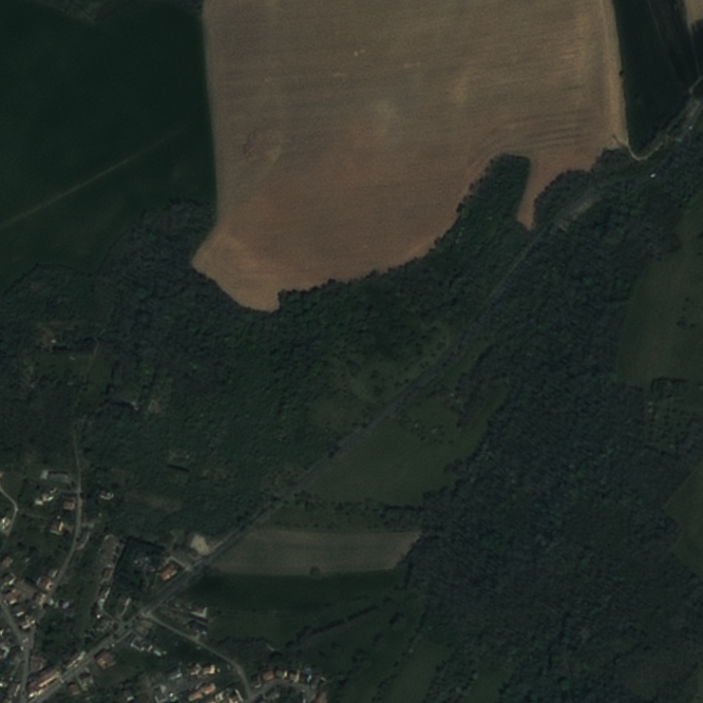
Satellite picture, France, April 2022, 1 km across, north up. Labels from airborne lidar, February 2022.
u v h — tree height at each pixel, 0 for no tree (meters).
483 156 0
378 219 0
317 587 0
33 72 0
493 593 12
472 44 0
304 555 0
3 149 0
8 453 10
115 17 0
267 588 0
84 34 0
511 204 8
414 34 0
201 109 0
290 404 12
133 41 0
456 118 0
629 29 0
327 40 0
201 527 7
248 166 0
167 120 0
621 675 14
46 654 16
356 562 0
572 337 26
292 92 0
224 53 0
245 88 0
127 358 16
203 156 0
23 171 0
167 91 0
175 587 0
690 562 0
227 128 0
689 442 13
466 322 20
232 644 9
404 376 0
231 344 16
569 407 23
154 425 6
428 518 19
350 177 0
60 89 0
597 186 19
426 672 0
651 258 13
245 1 0
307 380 15
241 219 0
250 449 6
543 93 0
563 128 0
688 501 0
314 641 18
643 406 17
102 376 0
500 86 0
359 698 0
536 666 7
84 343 12
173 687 0
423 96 0
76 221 0
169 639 6
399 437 0
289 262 0
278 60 0
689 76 0
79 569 6
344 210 0
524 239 7
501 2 0
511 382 22
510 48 0
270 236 0
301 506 13
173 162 0
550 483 26
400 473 0
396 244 0
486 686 0
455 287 16
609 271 23
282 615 0
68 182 0
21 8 0
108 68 0
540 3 0
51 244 0
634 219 17
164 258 29
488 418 0
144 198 0
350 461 0
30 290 7
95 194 0
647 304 0
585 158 0
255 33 0
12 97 0
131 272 27
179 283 17
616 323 20
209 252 0
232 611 0
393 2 0
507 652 6
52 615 8
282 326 18
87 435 14
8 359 21
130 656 0
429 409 0
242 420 8
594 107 0
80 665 0
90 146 0
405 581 0
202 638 0
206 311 16
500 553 23
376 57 0
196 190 0
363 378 0
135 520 9
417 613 0
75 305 8
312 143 0
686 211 12
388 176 0
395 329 6
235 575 0
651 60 0
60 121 0
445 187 0
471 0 0
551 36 0
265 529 0
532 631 21
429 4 0
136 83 0
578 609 25
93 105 0
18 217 0
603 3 0
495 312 17
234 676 0
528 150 0
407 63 0
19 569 0
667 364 0
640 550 20
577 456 26
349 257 0
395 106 0
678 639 0
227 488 14
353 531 0
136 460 6
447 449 0
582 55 0
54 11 0
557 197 17
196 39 0
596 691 7
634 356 0
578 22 0
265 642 8
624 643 29
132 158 0
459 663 6
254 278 0
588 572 22
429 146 0
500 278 13
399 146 0
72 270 6
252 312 12
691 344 0
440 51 0
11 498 0
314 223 0
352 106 0
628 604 25
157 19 0
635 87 0
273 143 0
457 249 13
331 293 10
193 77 0
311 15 0
